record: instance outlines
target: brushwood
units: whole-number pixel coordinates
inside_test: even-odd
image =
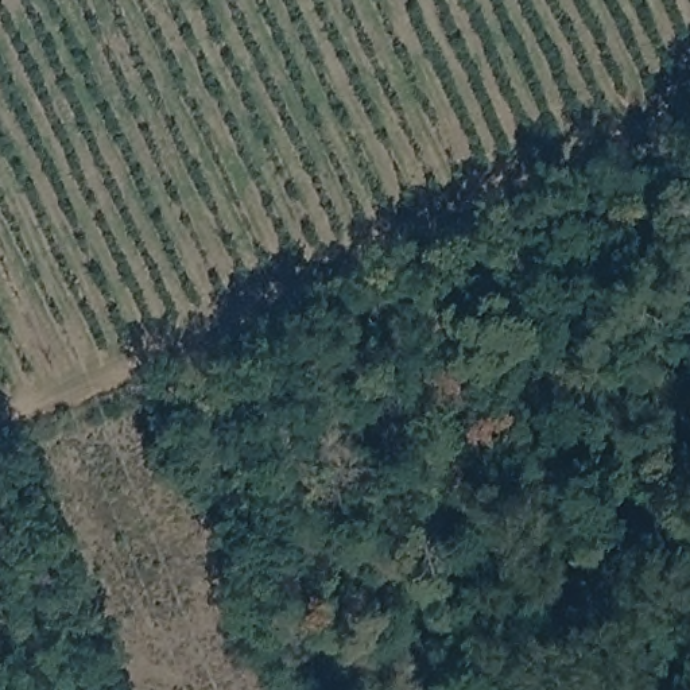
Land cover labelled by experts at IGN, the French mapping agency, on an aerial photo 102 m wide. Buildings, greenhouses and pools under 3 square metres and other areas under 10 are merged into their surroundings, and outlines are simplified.
[[[135,404],[135,399],[137,394],[146,394],[151,372],[137,375],[132,369],[129,377],[121,380],[116,388],[84,402],[89,423],[102,423],[119,418],[121,412],[135,420],[140,407]]]
[[[22,418],[24,429],[32,429],[67,412],[70,404],[59,402],[46,412],[32,412]]]

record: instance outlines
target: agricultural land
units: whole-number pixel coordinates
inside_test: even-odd
[[[159,625],[151,625],[146,633],[140,633],[140,644],[135,647],[140,652],[129,658],[127,671],[132,679],[132,690],[261,690],[251,668],[232,668],[229,658],[224,655],[224,639],[218,633],[221,609],[216,582],[226,577],[232,561],[224,553],[208,553],[208,577],[194,579],[191,588],[183,590],[186,598],[191,598],[191,609],[183,617],[159,620]]]

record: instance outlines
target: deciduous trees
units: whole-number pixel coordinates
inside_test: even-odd
[[[671,46],[660,38],[647,0],[631,0],[660,59],[663,73],[674,70]]]
[[[151,321],[154,315],[146,305],[143,288],[132,275],[127,256],[121,253],[105,221],[105,213],[97,210],[94,224],[105,237],[119,278],[137,305],[140,321]]]
[[[86,202],[94,202],[97,197],[86,183],[73,140],[65,132],[65,124],[57,116],[54,102],[49,97],[43,100],[46,119],[65,151],[78,191]]]
[[[369,189],[375,213],[380,208],[407,205],[415,197],[415,186],[407,183],[399,189],[399,199],[394,199],[385,194],[380,181]]]
[[[447,0],[434,0],[439,24],[461,67],[466,70],[469,86],[493,135],[496,156],[504,159],[515,156],[515,146],[507,140],[501,129],[501,121],[485,92],[480,67],[450,16]]]
[[[94,345],[102,348],[105,334],[92,305],[86,305],[81,315],[89,326]]]
[[[609,146],[585,170],[558,170],[550,164],[536,164],[536,173],[528,175],[531,194],[518,194],[499,208],[493,208],[491,202],[477,202],[474,234],[445,240],[445,248],[431,251],[418,248],[415,243],[396,245],[391,251],[369,248],[361,267],[356,267],[348,278],[334,278],[329,283],[315,283],[307,288],[307,302],[313,305],[307,313],[261,315],[256,326],[240,337],[243,361],[208,361],[202,353],[191,353],[189,358],[178,361],[167,356],[156,361],[151,372],[146,394],[137,394],[135,399],[135,404],[140,407],[135,420],[135,429],[143,442],[146,469],[159,474],[181,499],[189,501],[194,520],[208,528],[208,553],[224,553],[232,561],[226,577],[216,582],[221,609],[218,633],[224,639],[224,655],[229,658],[232,668],[251,668],[261,690],[318,690],[315,682],[302,682],[296,677],[296,668],[302,663],[310,663],[315,655],[329,655],[337,666],[358,666],[361,690],[420,690],[420,685],[412,682],[412,644],[429,631],[445,636],[429,655],[431,690],[658,690],[658,682],[666,677],[671,660],[685,668],[682,674],[690,679],[690,491],[679,488],[666,477],[671,469],[674,410],[666,410],[660,404],[660,391],[666,383],[674,380],[677,364],[687,367],[690,372],[690,119],[674,124],[674,154],[668,164],[631,170],[625,151],[620,151],[617,146]],[[515,321],[509,315],[507,299],[501,296],[480,299],[477,313],[466,318],[461,326],[450,323],[456,307],[437,310],[437,299],[445,299],[450,291],[466,286],[466,272],[474,264],[493,270],[493,278],[504,283],[515,261],[520,259],[520,251],[531,245],[536,245],[542,256],[547,256],[547,264],[555,267],[563,267],[571,259],[596,261],[601,245],[612,243],[623,243],[623,248],[636,251],[639,218],[652,224],[655,243],[647,248],[644,261],[633,264],[636,286],[615,283],[612,288],[598,288],[593,278],[574,278],[574,288],[563,291],[561,280],[539,275],[536,286],[520,296],[523,321]],[[528,380],[539,380],[544,375],[553,375],[558,385],[590,391],[596,399],[593,412],[585,412],[574,402],[555,402],[550,412],[531,412],[520,394]],[[426,385],[434,385],[434,402],[423,420],[407,423],[407,447],[404,453],[399,453],[399,464],[394,458],[383,458],[377,450],[369,450],[364,429],[375,426],[394,407],[415,407]],[[488,445],[507,469],[520,466],[520,482],[507,488],[499,480],[493,480],[477,491],[474,509],[466,518],[458,542],[453,547],[447,547],[445,542],[437,544],[439,558],[437,566],[431,566],[431,579],[418,585],[404,582],[402,609],[388,609],[383,617],[364,620],[340,615],[334,590],[345,571],[369,588],[380,588],[385,582],[402,582],[402,574],[415,569],[415,561],[423,544],[429,542],[429,518],[439,509],[442,480],[447,477],[450,464],[469,445]],[[544,488],[542,477],[547,458],[555,458],[563,450],[574,456],[577,474],[566,485]],[[617,509],[625,501],[644,507],[655,518],[655,526],[647,534],[641,528],[625,528],[625,520],[617,518]],[[334,566],[332,579],[323,582],[321,604],[283,598],[280,582],[288,577],[302,579],[315,563],[315,555],[329,558],[329,563]],[[542,647],[536,636],[539,628],[550,620],[553,604],[563,593],[566,569],[596,569],[598,574],[604,574],[615,585],[617,604],[612,609],[612,620],[606,620],[598,631],[571,628],[566,641]]]
[[[108,291],[111,283],[100,261],[86,261],[92,283],[100,288],[100,294]]]
[[[119,302],[108,302],[108,318],[119,334],[119,348],[124,350],[129,345],[132,321],[121,315]]]
[[[690,0],[660,0],[674,27],[674,40],[690,38]]]
[[[596,40],[601,62],[620,94],[625,92],[623,70],[615,62],[604,27],[588,0],[574,0],[579,16],[585,19]]]
[[[536,43],[542,46],[550,62],[553,81],[563,100],[563,116],[579,116],[585,105],[577,100],[577,92],[571,89],[563,67],[563,57],[553,43],[550,32],[544,30],[544,22],[531,0],[518,0]]]
[[[364,32],[353,0],[340,0],[342,13],[350,22],[367,57],[375,54],[375,43]]]
[[[469,13],[472,30],[482,40],[482,51],[488,57],[499,92],[515,116],[515,129],[531,127],[534,132],[553,137],[561,132],[555,127],[539,75],[531,65],[520,32],[515,30],[507,13],[504,0],[491,0],[504,40],[515,54],[515,62],[539,111],[539,119],[528,119],[509,84],[509,75],[504,73],[504,62],[496,51],[493,35],[482,19],[482,8],[477,5],[477,0],[458,0],[461,8]]]
[[[302,248],[294,245],[283,218],[275,218],[272,229],[278,234],[278,248],[288,256],[299,256]]]
[[[13,178],[27,194],[30,208],[35,210],[40,232],[51,226],[51,218],[40,202],[32,175],[24,167],[16,146],[5,135],[0,135],[0,173],[5,167],[13,167]]]
[[[480,135],[456,89],[453,73],[423,22],[418,0],[404,0],[420,49],[434,65],[434,73],[439,75],[439,84],[450,100],[461,132],[466,135],[469,159],[480,164],[485,164]]]
[[[46,461],[43,447],[30,434],[32,429],[24,429],[0,431],[0,690],[132,690],[132,679],[127,671],[129,658],[119,639],[119,623],[105,615],[105,590],[97,593],[97,588],[89,585],[84,555],[70,544],[75,531],[67,526],[59,509],[59,499],[54,496],[54,472]]]
[[[369,89],[361,78],[361,67],[345,49],[345,40],[337,24],[332,22],[323,0],[313,0],[321,27],[337,59],[342,62],[348,81],[358,102],[364,105],[364,113],[372,121],[377,140],[388,137],[385,121],[375,100],[369,97]]]
[[[633,38],[631,22],[617,0],[604,0],[647,92],[655,89],[658,73],[647,67],[641,49]]]
[[[40,167],[57,194],[59,210],[70,221],[78,213],[67,197],[67,189],[59,178],[49,146],[43,143],[32,121],[27,102],[22,102],[13,108],[13,116],[22,132],[27,135],[27,143],[32,146],[35,156],[40,159]]]
[[[394,57],[404,54],[407,46],[399,40],[394,30],[391,8],[385,0],[375,0]]]
[[[598,116],[612,113],[615,108],[606,102],[593,75],[585,46],[558,0],[547,0],[553,16],[558,19],[577,57],[577,67],[590,92],[588,108],[593,108],[593,113]]]

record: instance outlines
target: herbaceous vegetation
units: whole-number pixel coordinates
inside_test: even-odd
[[[429,655],[445,636],[429,631],[412,644],[412,682],[420,685],[420,690],[431,690]]]
[[[617,509],[617,518],[625,520],[625,528],[641,528],[647,534],[655,526],[655,518],[644,507],[625,501]]]
[[[418,248],[431,251],[445,248],[445,240],[474,234],[477,202],[491,202],[493,208],[499,208],[518,194],[531,194],[528,175],[536,173],[536,164],[550,164],[558,170],[585,170],[609,146],[617,146],[620,151],[625,151],[631,170],[668,164],[674,154],[674,124],[690,119],[690,38],[674,40],[674,27],[660,0],[647,0],[660,38],[671,46],[674,70],[663,73],[660,59],[631,0],[617,0],[631,22],[633,38],[641,49],[647,67],[658,73],[655,89],[647,92],[604,0],[588,0],[604,27],[615,62],[623,70],[625,92],[620,94],[601,62],[596,40],[585,19],[579,16],[574,0],[558,0],[585,46],[593,75],[606,102],[615,108],[612,113],[598,116],[593,113],[593,108],[588,108],[590,92],[577,67],[577,57],[558,19],[553,16],[547,0],[531,0],[544,22],[544,30],[550,32],[553,43],[563,57],[563,67],[571,89],[577,92],[577,100],[585,105],[579,116],[563,116],[563,100],[553,81],[550,62],[542,46],[536,43],[518,0],[504,0],[507,13],[515,30],[520,32],[531,65],[539,75],[555,127],[561,132],[553,137],[534,132],[531,127],[515,129],[515,116],[499,92],[488,57],[482,51],[482,40],[472,30],[469,13],[461,8],[458,0],[447,0],[450,16],[480,67],[485,92],[501,121],[501,129],[507,140],[515,146],[515,156],[504,159],[496,156],[493,135],[469,86],[466,70],[461,67],[439,24],[434,0],[418,0],[423,22],[453,73],[456,89],[480,135],[485,164],[480,164],[469,159],[466,135],[461,132],[450,100],[439,84],[439,75],[434,73],[434,65],[420,49],[404,0],[385,0],[391,8],[394,30],[399,40],[407,46],[404,54],[394,57],[375,0],[353,0],[364,32],[375,43],[375,54],[367,57],[350,22],[342,13],[340,0],[323,0],[332,22],[337,24],[345,40],[345,49],[361,67],[361,78],[369,89],[369,97],[375,100],[385,121],[388,137],[377,140],[372,121],[364,113],[364,105],[358,102],[348,81],[342,62],[337,59],[321,27],[313,0],[0,0],[0,135],[5,135],[16,146],[24,167],[32,175],[40,202],[51,218],[51,226],[40,232],[35,210],[30,208],[27,194],[13,178],[13,167],[5,167],[0,173],[0,431],[24,429],[22,418],[32,412],[46,412],[59,402],[70,404],[67,412],[32,429],[30,434],[43,447],[46,461],[54,472],[54,496],[59,499],[59,509],[67,526],[75,531],[70,544],[84,555],[89,585],[97,588],[97,593],[105,590],[105,615],[119,623],[119,639],[129,658],[140,652],[135,647],[140,644],[140,633],[146,633],[151,625],[159,625],[159,620],[183,617],[191,609],[191,598],[186,598],[183,590],[191,588],[194,579],[208,577],[208,553],[208,528],[194,520],[189,501],[181,499],[159,474],[146,469],[143,442],[135,429],[135,420],[121,412],[119,418],[102,423],[89,423],[84,402],[116,388],[121,380],[129,377],[132,369],[137,375],[151,372],[156,361],[167,356],[178,361],[189,358],[191,353],[202,353],[208,361],[243,361],[240,337],[256,326],[261,315],[307,313],[313,305],[307,302],[307,288],[315,283],[329,283],[334,278],[348,278],[356,267],[361,267],[369,248],[391,251],[396,245],[415,243]],[[97,197],[94,202],[86,202],[78,191],[65,151],[46,119],[43,100],[49,97],[54,102],[57,116],[65,124],[65,132],[73,140],[86,183]],[[49,146],[59,178],[67,189],[67,197],[78,213],[70,221],[59,210],[57,194],[40,167],[40,159],[35,156],[32,146],[27,143],[27,135],[22,132],[13,116],[13,108],[22,102],[27,102],[32,121],[43,143]],[[369,189],[380,181],[385,194],[394,199],[399,199],[399,189],[407,183],[415,186],[415,197],[407,205],[380,208],[375,213]],[[154,315],[151,321],[140,321],[137,305],[119,278],[105,237],[94,224],[97,210],[105,213],[105,221],[121,253],[127,256],[132,275],[143,288],[146,305]],[[272,229],[275,218],[283,218],[294,245],[302,248],[299,256],[288,256],[278,248],[278,234]],[[111,283],[108,291],[100,294],[100,288],[92,283],[86,261],[100,261]],[[121,315],[132,321],[129,345],[124,350],[119,348],[119,334],[108,318],[108,302],[119,302]],[[81,315],[86,305],[92,305],[105,334],[102,348],[94,345],[89,326]]]
[[[558,385],[553,375],[544,375],[539,380],[528,380],[520,394],[531,412],[550,412],[555,402],[574,402],[585,412],[593,412],[596,399],[590,391]]]
[[[577,474],[574,456],[563,450],[555,458],[547,458],[542,477],[544,488],[566,485]]]
[[[604,574],[598,574],[596,569],[566,569],[563,593],[553,604],[550,620],[539,628],[536,636],[542,647],[566,641],[571,628],[598,631],[606,620],[612,620],[612,609],[617,604],[615,585]]]
[[[658,690],[690,690],[690,679],[682,674],[685,668],[671,660],[666,677],[658,682]]]
[[[520,482],[520,466],[507,469],[488,445],[469,445],[450,464],[447,477],[442,480],[439,509],[429,518],[429,542],[423,544],[415,561],[415,569],[402,574],[402,582],[385,582],[380,588],[369,588],[345,571],[334,590],[340,615],[364,620],[383,617],[388,609],[402,609],[404,582],[418,585],[431,579],[431,566],[437,566],[439,558],[437,544],[445,542],[447,547],[453,547],[458,542],[466,518],[474,509],[477,491],[493,480],[499,480],[507,488]]]
[[[660,391],[660,404],[666,410],[674,410],[671,469],[666,477],[679,488],[690,491],[690,372],[687,367],[677,364],[674,380],[666,383]]]
[[[561,280],[563,291],[574,288],[574,278],[593,278],[598,288],[612,288],[615,283],[636,286],[633,264],[644,261],[647,248],[655,243],[652,224],[639,218],[636,251],[623,248],[623,243],[612,243],[601,245],[596,261],[571,259],[563,267],[555,267],[547,264],[547,256],[542,256],[536,245],[531,245],[520,251],[520,259],[515,261],[504,283],[493,278],[493,270],[474,264],[466,272],[466,286],[450,291],[445,299],[437,299],[437,310],[456,307],[450,323],[461,326],[466,318],[477,313],[480,299],[501,296],[507,299],[509,315],[515,321],[523,321],[520,296],[536,286],[539,275]]]
[[[315,655],[310,663],[302,663],[296,668],[296,677],[302,682],[315,682],[318,690],[361,690],[358,666],[337,666],[329,655]]]
[[[364,429],[369,450],[377,450],[383,458],[394,458],[399,464],[399,453],[404,453],[407,447],[407,423],[423,420],[434,402],[434,385],[426,385],[415,407],[394,407],[375,426]]]
[[[539,119],[539,111],[515,62],[515,54],[504,40],[491,0],[477,0],[477,5],[482,8],[482,19],[493,35],[496,51],[504,62],[504,73],[509,75],[509,84],[528,119]]]
[[[302,579],[288,577],[280,582],[283,598],[321,604],[323,582],[332,579],[334,566],[329,563],[329,558],[315,555],[315,563]]]

